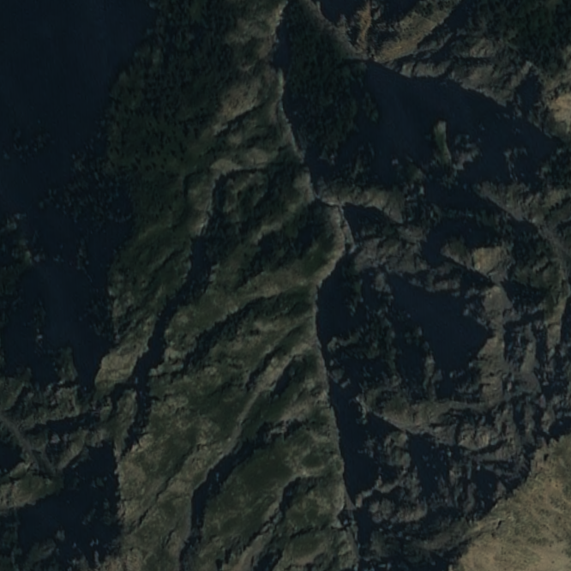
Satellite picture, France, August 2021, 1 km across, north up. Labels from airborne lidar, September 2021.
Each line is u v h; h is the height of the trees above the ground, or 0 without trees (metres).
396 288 0
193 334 0
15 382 0
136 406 0
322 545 0
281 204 9
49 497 0
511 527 0
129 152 0
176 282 0
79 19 0
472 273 10
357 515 0
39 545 0
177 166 0
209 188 0
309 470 0
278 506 0
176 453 0
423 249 0
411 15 8
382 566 0
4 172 0
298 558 0
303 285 0
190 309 0
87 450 0
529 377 0
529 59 7
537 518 0
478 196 0
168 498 0
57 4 28
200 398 0
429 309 0
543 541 0
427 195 0
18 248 6
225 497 0
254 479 0
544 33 15
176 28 9
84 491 0
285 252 10
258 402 0
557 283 0
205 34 24
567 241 0
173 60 13
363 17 7
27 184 0
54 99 7
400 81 0
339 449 0
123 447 0
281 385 0
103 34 0
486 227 0
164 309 0
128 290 0
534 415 0
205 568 0
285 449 0
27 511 0
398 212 0
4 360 0
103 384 0
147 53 12
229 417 0
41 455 0
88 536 0
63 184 17
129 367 0
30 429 0
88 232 12
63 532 0
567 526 0
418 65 0
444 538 0
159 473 0
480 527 0
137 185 8
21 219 0
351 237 0
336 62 9
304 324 0
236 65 14
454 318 0
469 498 0
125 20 0
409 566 0
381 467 0
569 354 0
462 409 0
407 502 0
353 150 7
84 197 10
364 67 0
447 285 0
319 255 0
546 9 10
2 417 0
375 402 0
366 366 20
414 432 0
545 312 0
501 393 0
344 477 0
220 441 0
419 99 0
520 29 7
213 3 14
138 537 0
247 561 0
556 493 0
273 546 0
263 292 0
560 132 0
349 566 0
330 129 11
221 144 0
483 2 11
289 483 0
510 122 0
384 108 0
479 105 0
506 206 0
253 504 0
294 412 0
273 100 0
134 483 0
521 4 14
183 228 0
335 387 0
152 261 0
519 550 0
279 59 0
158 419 0
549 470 0
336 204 0
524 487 0
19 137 15
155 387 0
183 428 0
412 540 0
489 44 0
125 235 14
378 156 0
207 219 0
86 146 10
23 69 9
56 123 7
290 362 0
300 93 8
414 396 0
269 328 0
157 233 0
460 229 0
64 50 14
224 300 0
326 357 0
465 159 0
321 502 0
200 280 6
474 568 0
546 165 8
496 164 0
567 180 13
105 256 9
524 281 0
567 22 11
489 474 0
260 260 7
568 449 0
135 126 0
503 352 0
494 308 0
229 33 7
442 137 0
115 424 0
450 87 0
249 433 0
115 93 10
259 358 0
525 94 0
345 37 0
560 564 0
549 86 0
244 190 0
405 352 0
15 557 0
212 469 0
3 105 9
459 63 8
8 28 14
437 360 0
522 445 0
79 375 0
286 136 0
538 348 0
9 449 0
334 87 13
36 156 14
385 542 0
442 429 0
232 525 0
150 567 0
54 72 16
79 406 0
